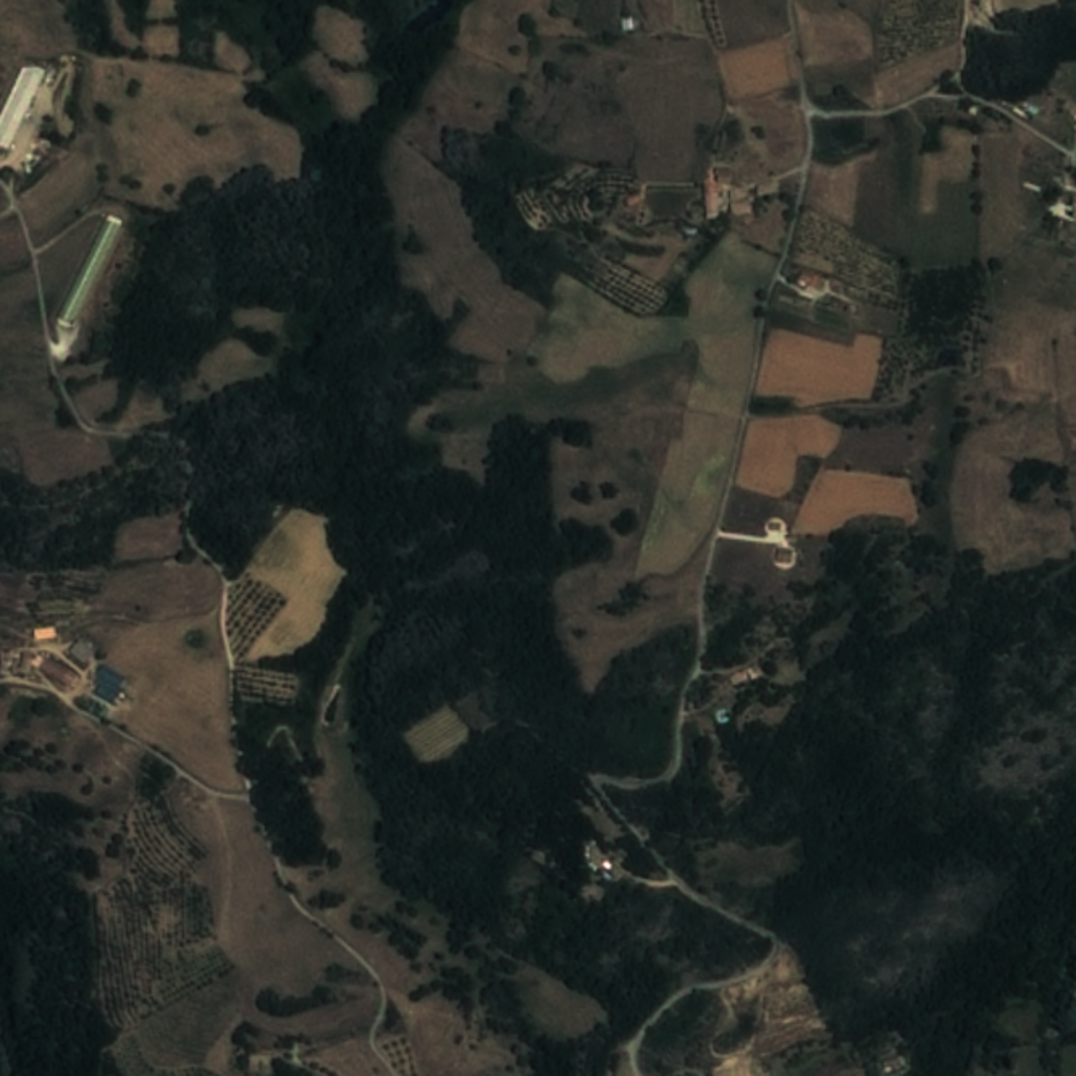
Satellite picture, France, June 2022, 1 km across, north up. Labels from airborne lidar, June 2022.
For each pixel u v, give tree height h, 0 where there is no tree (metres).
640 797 8
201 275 8
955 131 0
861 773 16
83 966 13
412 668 10
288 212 17
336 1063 0
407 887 16
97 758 0
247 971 0
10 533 9
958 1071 11
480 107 7
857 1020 9
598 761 7
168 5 0
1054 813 7
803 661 12
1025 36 10
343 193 16
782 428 0
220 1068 0
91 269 0
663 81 0
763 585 0
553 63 9
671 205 0
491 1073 0
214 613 0
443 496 15
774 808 6
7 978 15
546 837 10
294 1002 9
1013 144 0
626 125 0
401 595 9
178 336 12
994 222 0
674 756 0
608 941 9
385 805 11
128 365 9
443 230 0
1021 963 11
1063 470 10
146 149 0
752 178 0
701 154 0
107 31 9
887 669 10
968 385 0
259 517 19
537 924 8
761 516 0
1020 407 7
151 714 0
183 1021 0
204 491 17
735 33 0
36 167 0
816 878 9
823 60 0
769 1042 0
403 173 0
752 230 0
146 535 0
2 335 0
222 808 0
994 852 19
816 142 0
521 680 10
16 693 0
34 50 0
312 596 0
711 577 5
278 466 15
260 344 14
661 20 0
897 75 0
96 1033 16
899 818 12
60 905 19
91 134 0
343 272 11
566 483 0
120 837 9
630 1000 9
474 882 14
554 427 11
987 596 7
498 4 0
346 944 0
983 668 10
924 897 10
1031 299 0
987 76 10
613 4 0
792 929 8
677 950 10
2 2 0
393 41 6
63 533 12
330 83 0
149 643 0
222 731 0
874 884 15
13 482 10
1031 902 16
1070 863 10
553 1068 14
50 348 0
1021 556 0
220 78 0
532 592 11
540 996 0
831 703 11
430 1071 0
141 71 0
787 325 0
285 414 12
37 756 9
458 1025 0
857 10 0
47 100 0
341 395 10
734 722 8
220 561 7
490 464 12
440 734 0
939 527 0
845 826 16
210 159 0
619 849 9
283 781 15
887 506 0
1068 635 6
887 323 0
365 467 11
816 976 10
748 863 0
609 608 7
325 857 14
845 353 0
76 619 0
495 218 11
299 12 7
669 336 0
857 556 9
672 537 0
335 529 12
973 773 6
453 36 8
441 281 0
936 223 0
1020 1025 0
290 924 0
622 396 0
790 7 0
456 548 12
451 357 7
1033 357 0
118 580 0
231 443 18
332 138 14
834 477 0
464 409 0
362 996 0
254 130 0
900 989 8
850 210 0
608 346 0
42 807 14
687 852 6
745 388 0
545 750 13
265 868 0
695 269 7
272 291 13
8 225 0
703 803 11
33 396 0
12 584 0
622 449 0
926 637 8
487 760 9
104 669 0
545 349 0
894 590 9
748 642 8
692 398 0
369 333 7
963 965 14
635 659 6
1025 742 8
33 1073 11
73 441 0
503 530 10
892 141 0
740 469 0
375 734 14
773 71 0
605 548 12
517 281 8
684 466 0
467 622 8
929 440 0
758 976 0
